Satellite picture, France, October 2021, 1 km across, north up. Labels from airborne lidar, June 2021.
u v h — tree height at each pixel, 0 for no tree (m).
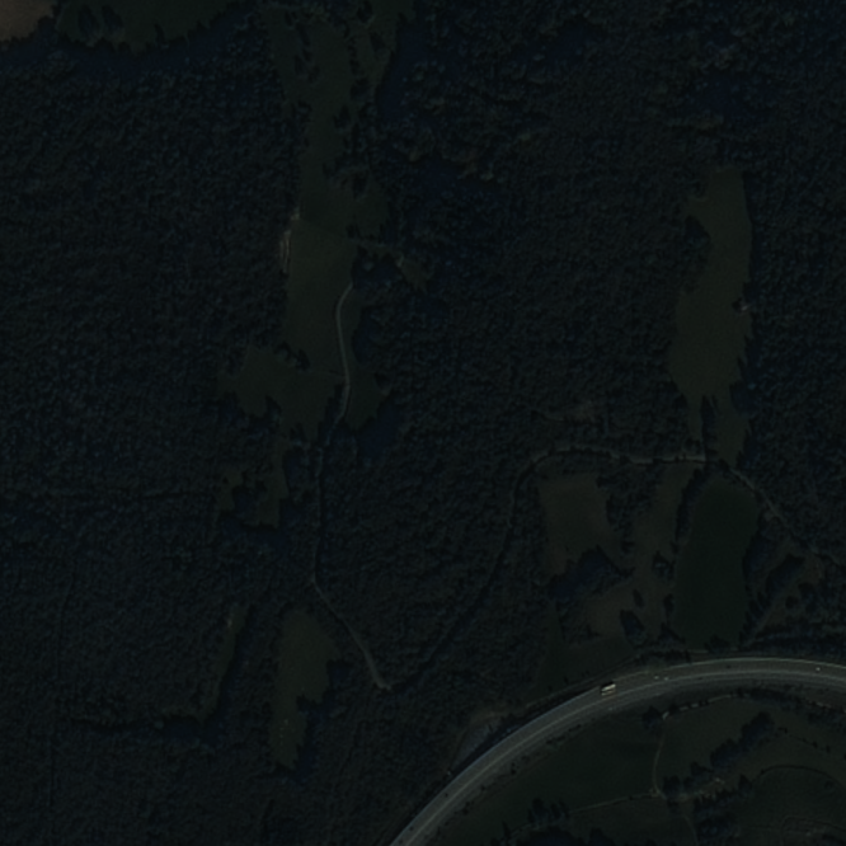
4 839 9
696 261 19
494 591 19
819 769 0
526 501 14
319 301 0
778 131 17
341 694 16
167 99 9
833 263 14
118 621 6
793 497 13
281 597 17
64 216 6
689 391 0
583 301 6
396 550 9
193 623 10
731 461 0
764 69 23
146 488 8
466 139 25
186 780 15
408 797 22
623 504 8
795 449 7
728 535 0
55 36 14
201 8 0
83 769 5
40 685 10
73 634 7
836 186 15
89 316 6
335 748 14
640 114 12
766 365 11
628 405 12
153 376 9
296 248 0
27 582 7
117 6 0
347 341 0
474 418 12
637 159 11
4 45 0
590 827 0
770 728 16
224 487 11
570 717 0
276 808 19
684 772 0
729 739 0
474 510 12
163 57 0
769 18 21
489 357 16
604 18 22
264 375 0
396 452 18
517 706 12
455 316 17
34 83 17
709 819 9
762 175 14
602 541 0
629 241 8
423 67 30
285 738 0
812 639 15
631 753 0
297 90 0
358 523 20
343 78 0
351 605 14
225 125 7
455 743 14
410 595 7
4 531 7
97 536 8
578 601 14
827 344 13
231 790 18
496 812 0
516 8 24
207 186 9
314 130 0
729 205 0
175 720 0
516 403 10
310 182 0
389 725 11
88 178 7
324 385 0
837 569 10
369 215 0
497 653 14
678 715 13
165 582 14
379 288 22
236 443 14
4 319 13
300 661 0
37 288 15
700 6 21
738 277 0
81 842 8
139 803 8
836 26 15
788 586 15
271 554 21
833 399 9
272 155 8
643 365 13
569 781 0
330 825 11
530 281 13
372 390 0
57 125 17
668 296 18
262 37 10
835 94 17
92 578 6
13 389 9
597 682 0
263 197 7
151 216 6
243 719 21
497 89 21
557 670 0
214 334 12
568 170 12
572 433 8
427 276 16
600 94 14
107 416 9
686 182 25
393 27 0
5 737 8
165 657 8
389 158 26
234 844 20
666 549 0
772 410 15
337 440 16
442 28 28
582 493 0
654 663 11
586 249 9
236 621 0
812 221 12
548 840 0
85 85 21
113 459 11
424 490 16
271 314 7
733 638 0
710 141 32
